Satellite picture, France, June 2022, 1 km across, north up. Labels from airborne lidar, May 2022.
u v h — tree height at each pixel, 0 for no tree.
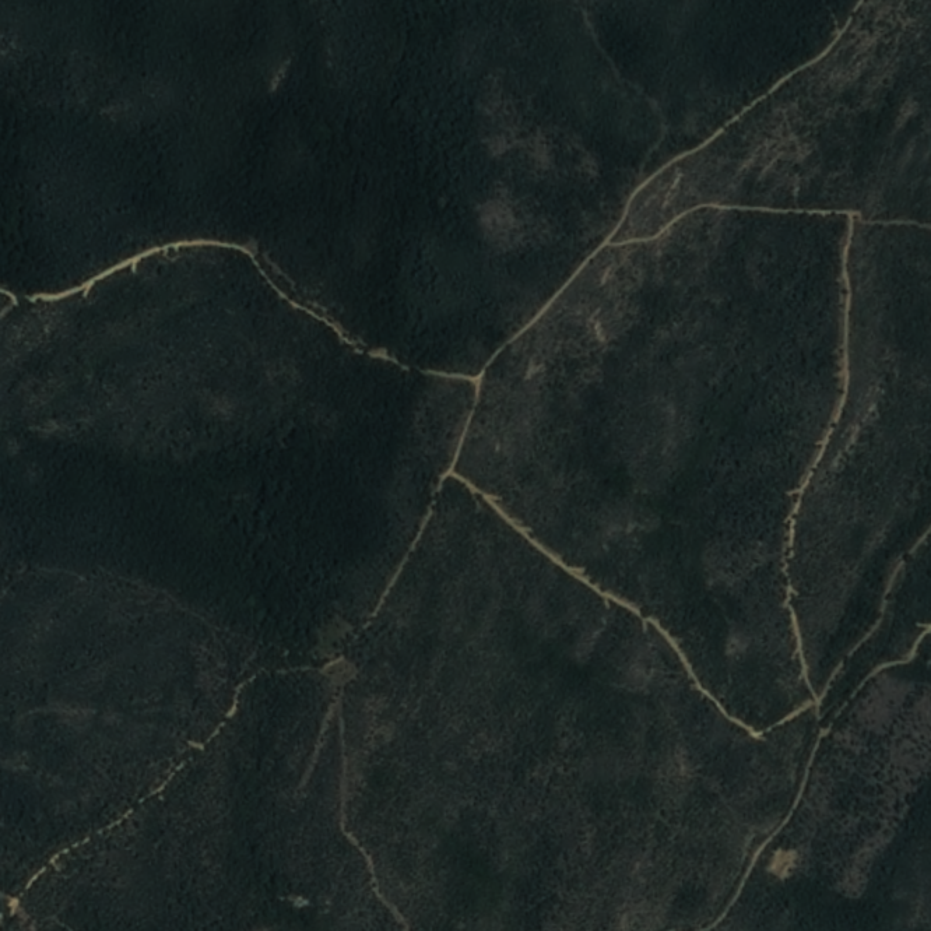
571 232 7
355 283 7
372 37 6
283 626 13
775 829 0
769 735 7
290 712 6
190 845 8
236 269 6
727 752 7
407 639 7
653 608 7
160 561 6
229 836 7
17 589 8
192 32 7
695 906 7
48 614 0
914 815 10
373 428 7
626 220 0
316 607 7
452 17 9
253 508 6
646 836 7
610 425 6
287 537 13
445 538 7
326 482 8
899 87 7
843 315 0
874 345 0
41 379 7
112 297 6
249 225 7
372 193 6
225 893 6
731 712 13
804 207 7
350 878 6
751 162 0
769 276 11
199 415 7
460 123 9
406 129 8
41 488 6
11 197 18
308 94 6
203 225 7
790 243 7
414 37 15
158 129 12
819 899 6
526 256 7
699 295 7
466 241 7
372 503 6
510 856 0
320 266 8
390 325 10
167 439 9
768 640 8
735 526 7
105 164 8
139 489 7
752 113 6
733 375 8
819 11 6
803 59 8
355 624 6
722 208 0
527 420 0
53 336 9
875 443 9
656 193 0
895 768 6
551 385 8
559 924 6
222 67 8
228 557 7
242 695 6
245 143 8
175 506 6
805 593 7
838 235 9
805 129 8
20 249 12
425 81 9
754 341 8
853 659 7
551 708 6
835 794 6
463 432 0
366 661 9
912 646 6
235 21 6
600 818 8
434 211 6
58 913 7
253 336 6
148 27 8
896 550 6
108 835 8
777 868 0
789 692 0
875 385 5
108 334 7
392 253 12
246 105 7
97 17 6
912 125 9
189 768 7
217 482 7
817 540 6
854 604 7
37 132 9
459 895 6
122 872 7
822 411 7
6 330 7
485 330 6
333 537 6
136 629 7
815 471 7
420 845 7
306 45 7
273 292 6
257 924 9
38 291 6
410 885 6
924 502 6
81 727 0
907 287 6
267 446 9
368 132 9
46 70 8
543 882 6
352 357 6
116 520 6
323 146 9
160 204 13
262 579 7
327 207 7
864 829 7
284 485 13
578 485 9
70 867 7
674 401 0
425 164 10
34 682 7
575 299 0
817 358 9
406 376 9
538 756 7
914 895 0
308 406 7
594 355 8
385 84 7
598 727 7
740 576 8
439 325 8
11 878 7
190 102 8
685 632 7
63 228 6
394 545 6
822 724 7
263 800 6
